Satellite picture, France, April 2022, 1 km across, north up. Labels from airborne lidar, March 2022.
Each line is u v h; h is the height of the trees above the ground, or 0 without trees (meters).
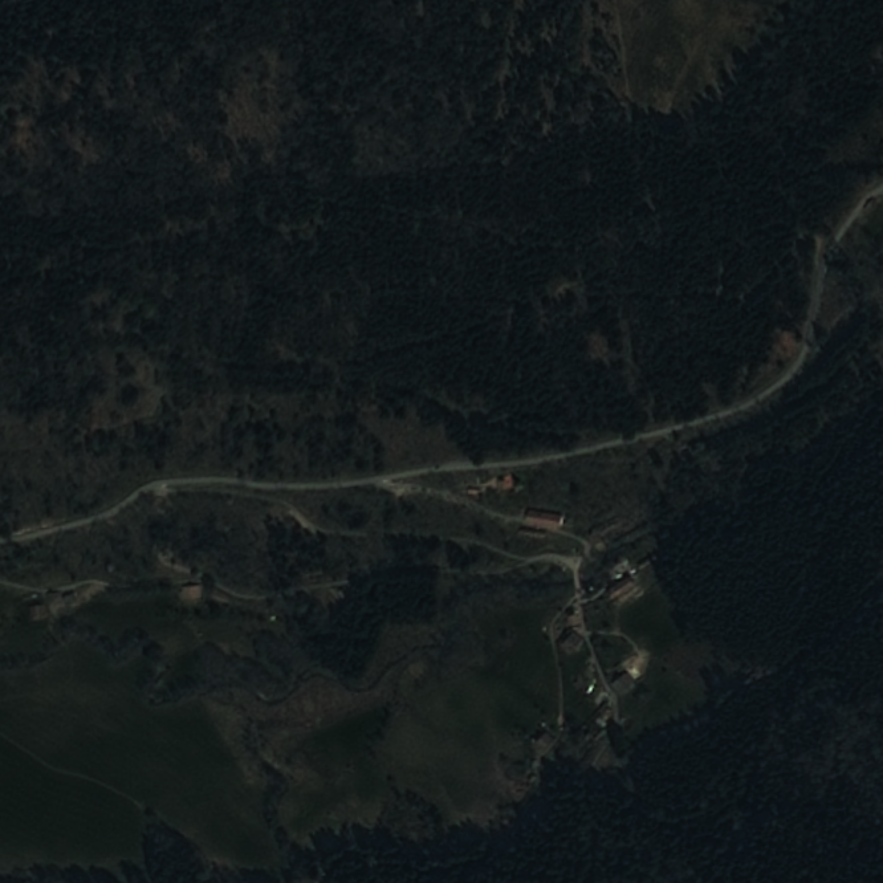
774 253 24
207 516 9
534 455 15
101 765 0
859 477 37
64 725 0
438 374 28
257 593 11
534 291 18
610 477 8
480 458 29
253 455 15
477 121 24
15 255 23
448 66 28
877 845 27
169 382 22
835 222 6
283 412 8
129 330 15
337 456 13
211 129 24
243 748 0
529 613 0
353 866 26
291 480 8
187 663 0
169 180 26
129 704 0
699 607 26
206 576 0
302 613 25
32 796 0
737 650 32
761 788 25
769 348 11
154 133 21
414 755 0
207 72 24
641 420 35
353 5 20
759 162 30
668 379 27
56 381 28
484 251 27
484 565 9
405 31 22
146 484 0
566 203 30
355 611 30
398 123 27
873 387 33
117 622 0
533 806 6
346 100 19
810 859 24
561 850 29
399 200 30
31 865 0
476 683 0
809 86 30
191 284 26
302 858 24
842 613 21
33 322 23
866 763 24
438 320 30
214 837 0
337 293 26
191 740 0
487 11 10
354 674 34
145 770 0
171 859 36
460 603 26
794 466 30
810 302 22
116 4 21
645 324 24
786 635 31
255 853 0
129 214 23
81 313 24
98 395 24
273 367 27
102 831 0
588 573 11
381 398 11
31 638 0
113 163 24
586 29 22
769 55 21
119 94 19
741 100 33
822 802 20
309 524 0
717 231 23
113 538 17
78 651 0
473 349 29
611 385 33
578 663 0
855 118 27
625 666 0
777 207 22
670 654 0
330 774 0
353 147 19
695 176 26
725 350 16
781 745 26
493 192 23
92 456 22
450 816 0
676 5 0
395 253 26
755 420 8
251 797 0
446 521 13
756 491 29
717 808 28
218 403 21
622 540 7
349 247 25
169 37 17
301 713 0
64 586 0
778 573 35
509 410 24
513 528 0
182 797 0
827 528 20
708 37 0
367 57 21
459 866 27
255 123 18
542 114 16
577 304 23
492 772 0
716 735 29
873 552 26
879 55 18
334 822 0
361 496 16
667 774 20
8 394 27
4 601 0
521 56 25
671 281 29
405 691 0
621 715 0
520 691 0
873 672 29
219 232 29
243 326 29
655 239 28
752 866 26
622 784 7
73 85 17
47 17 20
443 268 28
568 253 26
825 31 29
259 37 25
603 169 28
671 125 29
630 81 0
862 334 24
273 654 20
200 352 20
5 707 0
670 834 28
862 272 18
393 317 28
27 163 19
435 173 27
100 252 26
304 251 25
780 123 27
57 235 25
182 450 16
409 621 26
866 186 22
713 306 26
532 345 24
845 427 29
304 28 25
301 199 27
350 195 21
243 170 26
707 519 25
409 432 8
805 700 23
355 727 0
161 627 0
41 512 11
